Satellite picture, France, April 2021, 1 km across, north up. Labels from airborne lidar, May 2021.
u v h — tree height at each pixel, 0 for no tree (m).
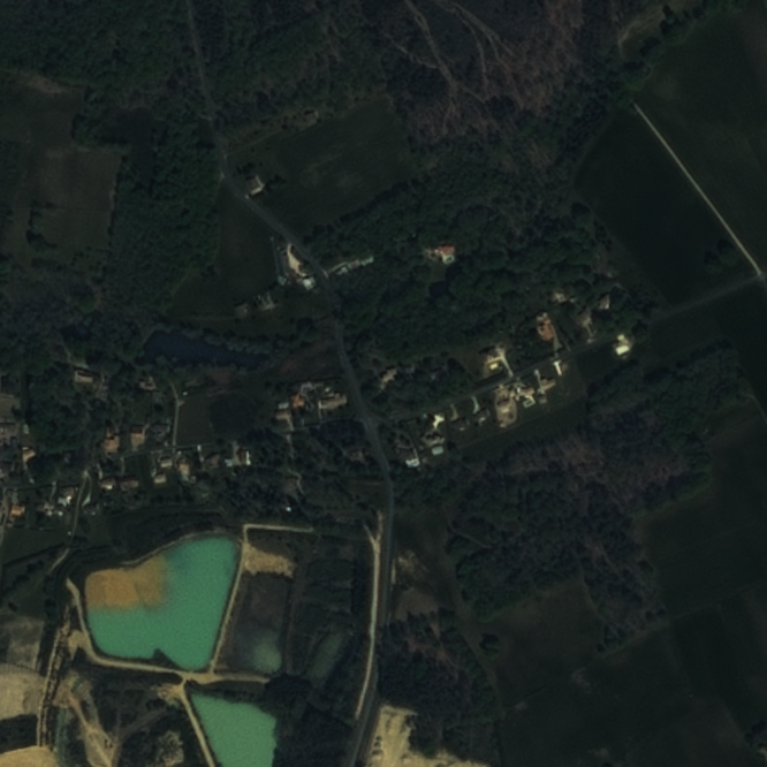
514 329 6
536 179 15
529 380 0
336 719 16
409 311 23
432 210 17
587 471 14
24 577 7
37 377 12
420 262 14
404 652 19
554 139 17
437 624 9
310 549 0
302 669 8
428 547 0
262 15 11
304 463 13
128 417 9
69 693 0
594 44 15
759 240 0
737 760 0
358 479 6
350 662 12
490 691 20
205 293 0
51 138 0
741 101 0
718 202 0
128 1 19
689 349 0
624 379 15
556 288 17
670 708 0
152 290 15
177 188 20
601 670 0
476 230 19
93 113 9
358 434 22
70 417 19
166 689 0
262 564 0
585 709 0
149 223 16
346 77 19
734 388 17
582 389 0
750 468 0
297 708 14
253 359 0
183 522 6
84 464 19
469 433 0
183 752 0
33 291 18
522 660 0
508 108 16
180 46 18
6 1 18
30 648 0
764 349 0
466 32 10
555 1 15
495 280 23
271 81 17
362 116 0
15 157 7
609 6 17
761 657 0
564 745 0
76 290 18
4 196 0
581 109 14
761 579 0
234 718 0
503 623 0
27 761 0
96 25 20
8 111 0
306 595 7
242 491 16
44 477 22
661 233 0
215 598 0
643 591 17
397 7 11
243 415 0
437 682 23
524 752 0
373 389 17
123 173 8
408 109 10
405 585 0
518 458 16
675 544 0
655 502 24
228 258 0
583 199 0
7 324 19
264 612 0
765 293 0
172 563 0
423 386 20
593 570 25
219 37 17
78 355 15
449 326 21
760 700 0
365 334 17
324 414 0
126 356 15
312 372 0
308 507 17
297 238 0
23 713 0
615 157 0
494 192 10
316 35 16
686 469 13
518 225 8
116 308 20
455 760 0
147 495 9
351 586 7
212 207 17
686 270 0
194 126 19
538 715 0
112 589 0
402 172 0
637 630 15
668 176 0
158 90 9
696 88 0
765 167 0
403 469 13
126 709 0
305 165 0
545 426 0
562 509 23
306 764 18
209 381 0
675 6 0
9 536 0
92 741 0
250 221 0
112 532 0
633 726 0
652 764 0
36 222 13
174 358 10
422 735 22
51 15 15
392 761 0
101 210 0
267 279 0
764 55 0
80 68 17
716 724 0
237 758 0
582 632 0
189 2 17
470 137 12
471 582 17
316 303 0
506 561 12
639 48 0
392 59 9
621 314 21
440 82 17
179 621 0
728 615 0
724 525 0
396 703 18
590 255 21
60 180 0
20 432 0
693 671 0
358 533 19
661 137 0
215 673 0
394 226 20
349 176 0
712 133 0
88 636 0
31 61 18
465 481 14
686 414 19
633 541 13
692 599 0
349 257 17
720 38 0
